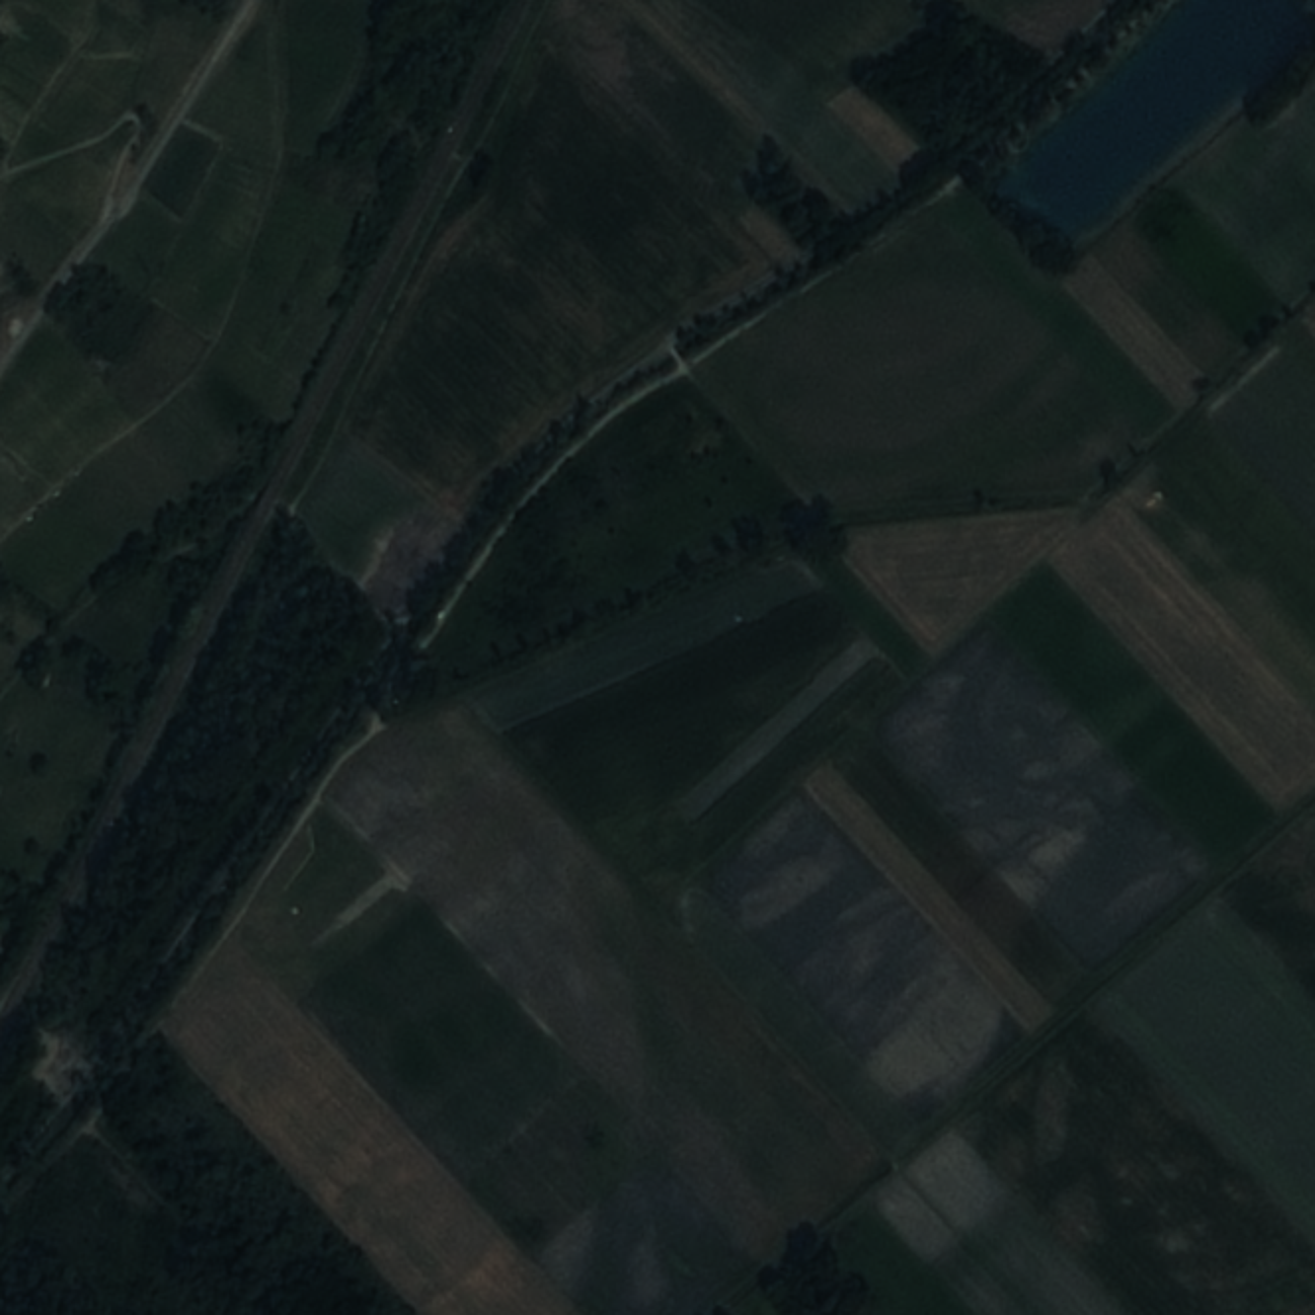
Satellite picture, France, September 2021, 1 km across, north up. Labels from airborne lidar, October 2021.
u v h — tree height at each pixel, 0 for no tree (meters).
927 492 0
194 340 0
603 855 0
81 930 22
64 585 0
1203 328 0
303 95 0
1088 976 0
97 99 0
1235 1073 0
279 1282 7
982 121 14
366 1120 0
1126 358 0
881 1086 0
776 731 0
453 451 0
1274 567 0
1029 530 0
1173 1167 0
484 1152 0
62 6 0
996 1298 0
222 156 0
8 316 0
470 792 0
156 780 17
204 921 9
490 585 0
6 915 17
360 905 0
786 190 23
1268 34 0
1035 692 0
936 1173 0
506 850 0
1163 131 0
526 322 0
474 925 0
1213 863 0
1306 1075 0
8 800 0
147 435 0
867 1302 20
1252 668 0
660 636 0
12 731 0
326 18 0
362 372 0
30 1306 19
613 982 0
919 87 11
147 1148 13
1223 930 0
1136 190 0
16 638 8
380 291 0
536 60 0
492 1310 0
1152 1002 0
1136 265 0
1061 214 0
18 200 0
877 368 0
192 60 0
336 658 20
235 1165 8
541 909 0
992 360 0
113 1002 6
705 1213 0
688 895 0
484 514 11
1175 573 0
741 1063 0
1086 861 0
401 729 0
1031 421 0
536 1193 0
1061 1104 0
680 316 0
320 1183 0
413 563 0
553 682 0
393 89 16
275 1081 0
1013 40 7
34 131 0
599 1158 0
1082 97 0
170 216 0
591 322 0
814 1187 0
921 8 7
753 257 0
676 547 0
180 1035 0
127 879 25
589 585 0
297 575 18
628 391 8
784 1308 13
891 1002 0
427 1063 0
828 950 0
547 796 0
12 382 0
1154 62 0
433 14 6
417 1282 0
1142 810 0
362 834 0
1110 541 0
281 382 0
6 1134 8
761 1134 0
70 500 0
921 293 0
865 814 0
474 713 0
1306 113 0
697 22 0
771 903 0
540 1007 0
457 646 0
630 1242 0
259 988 0
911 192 14
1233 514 0
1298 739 0
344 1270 6
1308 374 0
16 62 0
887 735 0
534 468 14
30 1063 25
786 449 0
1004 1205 0
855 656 0
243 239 0
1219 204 0
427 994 0
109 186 0
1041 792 0
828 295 0
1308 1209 0
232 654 21
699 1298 0
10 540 0
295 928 0
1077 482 0
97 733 0
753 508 0
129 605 0
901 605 0
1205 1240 0
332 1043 0
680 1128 0
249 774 26
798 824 0
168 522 13
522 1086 0
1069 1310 0
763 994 0
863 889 0
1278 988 0
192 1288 21
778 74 0
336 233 0
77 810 0
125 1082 10
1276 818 0
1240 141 0
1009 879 0
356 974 0
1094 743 0
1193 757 0
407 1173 0
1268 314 0
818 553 31
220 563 11
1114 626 0
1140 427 0
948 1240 0
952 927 0
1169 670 0
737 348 0
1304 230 0
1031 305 0
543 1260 0
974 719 0
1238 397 0
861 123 0
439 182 0
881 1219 0
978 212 0
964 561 0
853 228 16
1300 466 0
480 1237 0
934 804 0
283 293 0
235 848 12
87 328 10
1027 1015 0
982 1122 0
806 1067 0
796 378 0
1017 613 0
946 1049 0
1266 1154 0
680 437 0
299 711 20
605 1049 0
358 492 0
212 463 0
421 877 0
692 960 0
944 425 0
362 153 18
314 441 0
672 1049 0
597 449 0
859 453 0
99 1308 20
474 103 0
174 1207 9
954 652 0
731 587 0
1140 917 0
